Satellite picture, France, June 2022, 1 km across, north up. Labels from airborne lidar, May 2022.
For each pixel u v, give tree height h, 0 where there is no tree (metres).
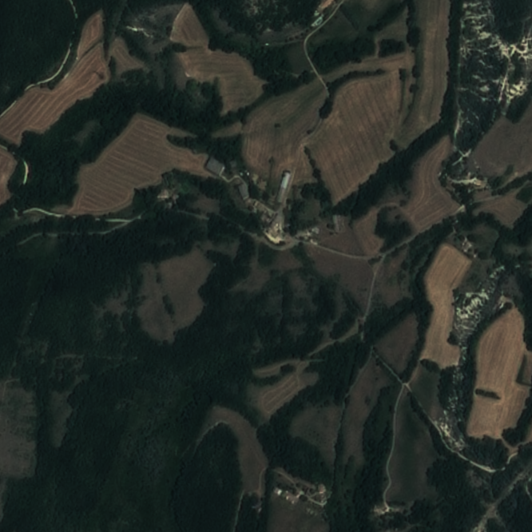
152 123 0
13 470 0
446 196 0
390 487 0
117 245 14
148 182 0
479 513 8
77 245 11
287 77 13
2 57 9
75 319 8
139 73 10
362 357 9
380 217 9
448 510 8
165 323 0
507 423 0
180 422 11
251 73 0
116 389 9
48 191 17
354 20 15
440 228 10
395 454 0
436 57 0
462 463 7
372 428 14
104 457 9
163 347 7
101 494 9
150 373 12
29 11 8
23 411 0
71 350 7
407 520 11
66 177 18
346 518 13
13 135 0
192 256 0
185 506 10
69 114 11
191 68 0
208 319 9
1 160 0
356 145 0
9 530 12
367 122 0
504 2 7
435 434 12
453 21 13
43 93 0
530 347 11
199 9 10
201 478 7
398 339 0
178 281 0
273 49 12
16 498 11
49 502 8
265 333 11
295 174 0
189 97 8
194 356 6
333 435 0
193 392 7
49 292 8
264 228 9
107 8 11
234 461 8
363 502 18
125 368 8
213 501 10
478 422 0
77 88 0
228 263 6
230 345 8
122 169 0
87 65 0
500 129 0
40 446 14
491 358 0
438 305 0
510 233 13
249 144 0
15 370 9
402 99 0
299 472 8
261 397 0
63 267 9
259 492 0
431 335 0
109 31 6
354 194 8
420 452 0
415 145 17
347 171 0
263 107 0
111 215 8
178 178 9
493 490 6
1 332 10
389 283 0
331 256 0
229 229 10
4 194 0
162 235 7
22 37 7
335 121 0
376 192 11
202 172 0
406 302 13
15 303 11
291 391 0
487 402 0
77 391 12
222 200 9
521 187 12
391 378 6
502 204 0
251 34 11
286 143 0
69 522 10
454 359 0
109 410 8
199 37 0
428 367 15
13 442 0
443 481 10
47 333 8
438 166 0
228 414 0
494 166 0
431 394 0
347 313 6
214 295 10
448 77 8
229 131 0
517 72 7
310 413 0
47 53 11
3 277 12
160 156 0
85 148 8
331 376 13
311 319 8
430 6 0
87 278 10
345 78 8
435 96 0
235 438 12
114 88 12
